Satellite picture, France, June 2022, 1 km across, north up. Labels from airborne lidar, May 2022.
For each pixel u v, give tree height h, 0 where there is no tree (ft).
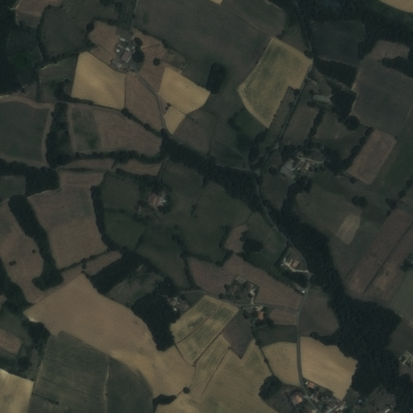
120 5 25
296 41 0
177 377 0
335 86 37
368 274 0
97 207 62
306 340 0
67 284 0
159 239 0
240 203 0
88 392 0
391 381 69
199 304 0
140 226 0
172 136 0
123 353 0
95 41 0
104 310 0
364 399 47
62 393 0
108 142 0
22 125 0
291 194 55
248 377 0
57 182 49
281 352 0
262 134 38
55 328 0
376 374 27
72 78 0
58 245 0
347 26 0
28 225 58
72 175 0
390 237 0
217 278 0
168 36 0
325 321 0
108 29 0
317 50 37
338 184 0
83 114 0
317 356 0
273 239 0
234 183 53
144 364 0
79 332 0
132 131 0
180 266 0
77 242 0
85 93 0
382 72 0
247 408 0
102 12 0
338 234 0
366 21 73
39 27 39
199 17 0
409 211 0
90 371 0
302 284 51
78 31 0
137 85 0
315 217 0
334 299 45
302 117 0
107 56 0
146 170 0
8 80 52
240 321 0
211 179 39
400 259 0
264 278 0
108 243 45
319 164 0
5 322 0
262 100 0
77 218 0
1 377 0
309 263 46
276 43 0
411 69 53
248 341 0
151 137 0
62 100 29
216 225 0
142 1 0
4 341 0
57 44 0
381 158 0
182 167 0
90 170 26
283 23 0
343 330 53
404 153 0
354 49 0
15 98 0
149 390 0
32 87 0
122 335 0
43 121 0
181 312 27
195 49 0
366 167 0
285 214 73
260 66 0
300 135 0
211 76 40
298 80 0
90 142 0
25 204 44
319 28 0
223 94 0
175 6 0
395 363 52
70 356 0
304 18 25
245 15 0
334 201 0
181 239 33
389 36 70
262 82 0
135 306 46
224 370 0
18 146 0
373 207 0
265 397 75
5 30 53
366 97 0
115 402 0
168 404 31
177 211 0
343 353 46
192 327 0
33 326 52
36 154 0
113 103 0
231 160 0
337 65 54
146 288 0
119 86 0
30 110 0
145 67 0
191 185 0
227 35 0
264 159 44
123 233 0
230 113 0
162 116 0
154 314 73
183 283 0
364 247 0
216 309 0
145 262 37
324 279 57
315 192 0
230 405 0
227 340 0
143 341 0
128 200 0
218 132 0
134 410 0
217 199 0
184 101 0
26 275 0
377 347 47
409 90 0
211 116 0
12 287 24
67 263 0
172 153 51
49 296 0
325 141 0
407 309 0
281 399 0
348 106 40
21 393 0
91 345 0
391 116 0
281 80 0
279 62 0
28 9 0
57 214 0
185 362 0
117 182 0
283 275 42
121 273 40
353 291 0
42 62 41
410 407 47
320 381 0
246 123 0
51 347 0
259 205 58
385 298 0
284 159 44
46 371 0
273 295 0
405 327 0
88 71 0
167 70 0
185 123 0
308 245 81
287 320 0
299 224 41
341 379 0
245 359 0
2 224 0
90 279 26
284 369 0
